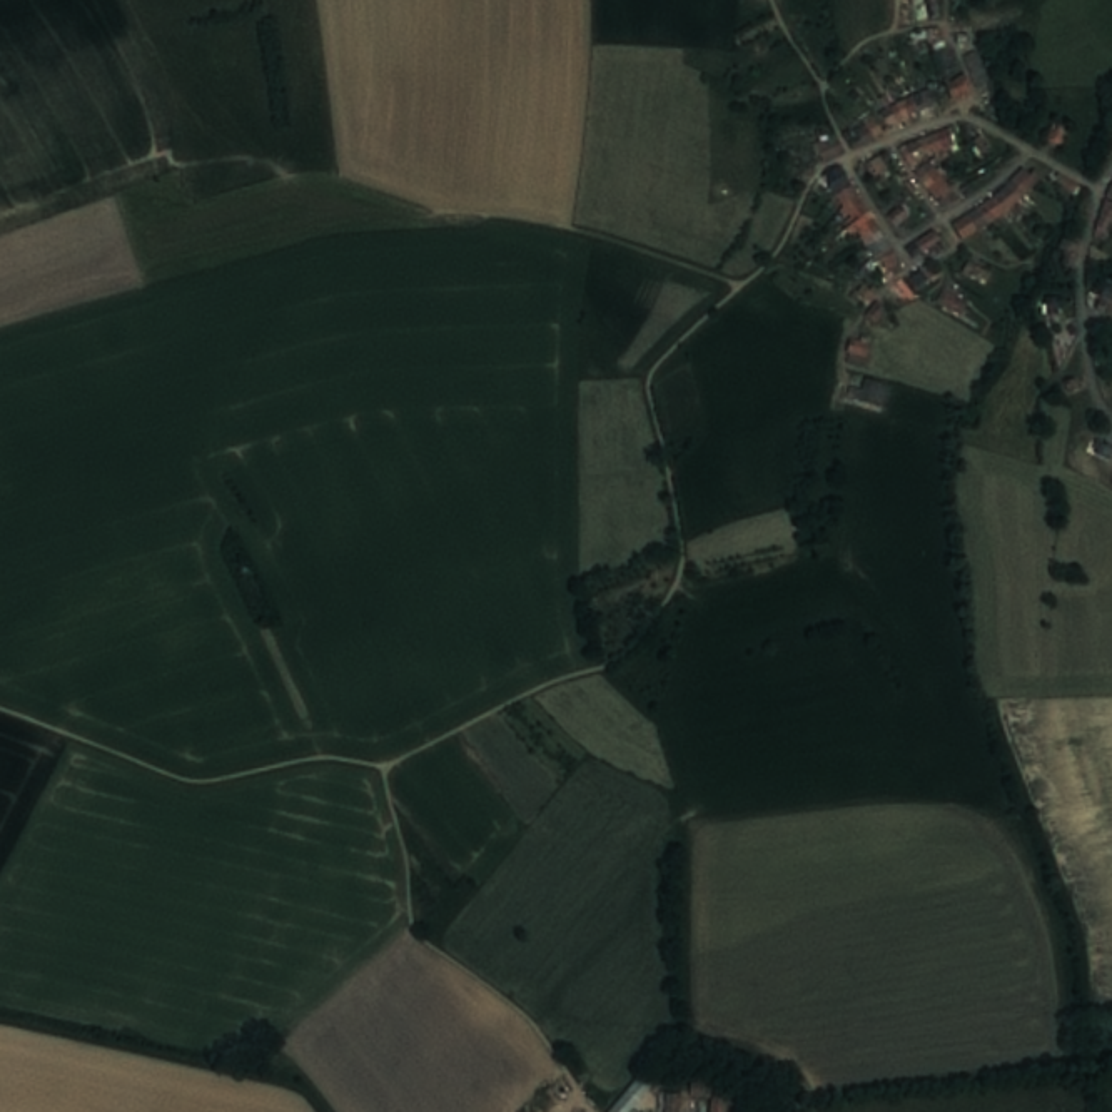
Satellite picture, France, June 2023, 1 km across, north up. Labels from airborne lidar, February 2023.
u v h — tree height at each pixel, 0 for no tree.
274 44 6
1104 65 0
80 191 0
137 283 0
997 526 0
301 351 0
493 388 0
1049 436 17
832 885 0
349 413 0
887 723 0
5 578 0
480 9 0
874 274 7
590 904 0
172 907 0
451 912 0
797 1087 14
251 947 0
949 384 0
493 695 0
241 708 0
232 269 0
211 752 0
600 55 0
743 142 0
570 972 0
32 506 0
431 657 0
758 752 0
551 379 0
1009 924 0
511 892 0
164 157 0
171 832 0
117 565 0
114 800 0
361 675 0
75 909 0
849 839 0
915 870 0
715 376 0
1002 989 0
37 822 0
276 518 0
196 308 0
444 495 0
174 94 0
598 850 0
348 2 0
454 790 0
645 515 0
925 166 0
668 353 0
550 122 0
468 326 0
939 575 0
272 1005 0
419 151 0
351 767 0
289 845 0
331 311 0
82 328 0
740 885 0
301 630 0
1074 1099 0
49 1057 0
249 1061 28
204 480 0
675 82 0
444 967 0
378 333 0
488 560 0
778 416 0
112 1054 0
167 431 0
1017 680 0
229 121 0
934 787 0
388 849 0
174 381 0
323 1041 0
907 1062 0
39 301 0
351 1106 0
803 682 0
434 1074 0
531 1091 0
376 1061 0
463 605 0
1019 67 15
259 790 0
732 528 0
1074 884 0
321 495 0
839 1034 0
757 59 0
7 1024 0
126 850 0
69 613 0
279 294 0
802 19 0
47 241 0
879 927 0
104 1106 0
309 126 0
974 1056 0
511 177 0
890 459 0
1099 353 16
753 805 0
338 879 0
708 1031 0
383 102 0
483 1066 0
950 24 0
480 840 0
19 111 0
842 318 0
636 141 0
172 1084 0
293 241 0
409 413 0
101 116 0
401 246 0
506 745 0
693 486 0
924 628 0
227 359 0
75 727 0
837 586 0
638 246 0
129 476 0
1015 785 15
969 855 0
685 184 0
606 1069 0
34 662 0
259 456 0
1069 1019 20
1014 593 0
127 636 0
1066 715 0
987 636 0
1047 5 0
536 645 0
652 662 0
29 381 0
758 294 0
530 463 0
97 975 0
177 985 0
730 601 0
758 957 0
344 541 0
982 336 0
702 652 0
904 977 0
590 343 0
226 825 0
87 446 0
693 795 0
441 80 0
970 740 0
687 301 0
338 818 0
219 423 0
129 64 0
